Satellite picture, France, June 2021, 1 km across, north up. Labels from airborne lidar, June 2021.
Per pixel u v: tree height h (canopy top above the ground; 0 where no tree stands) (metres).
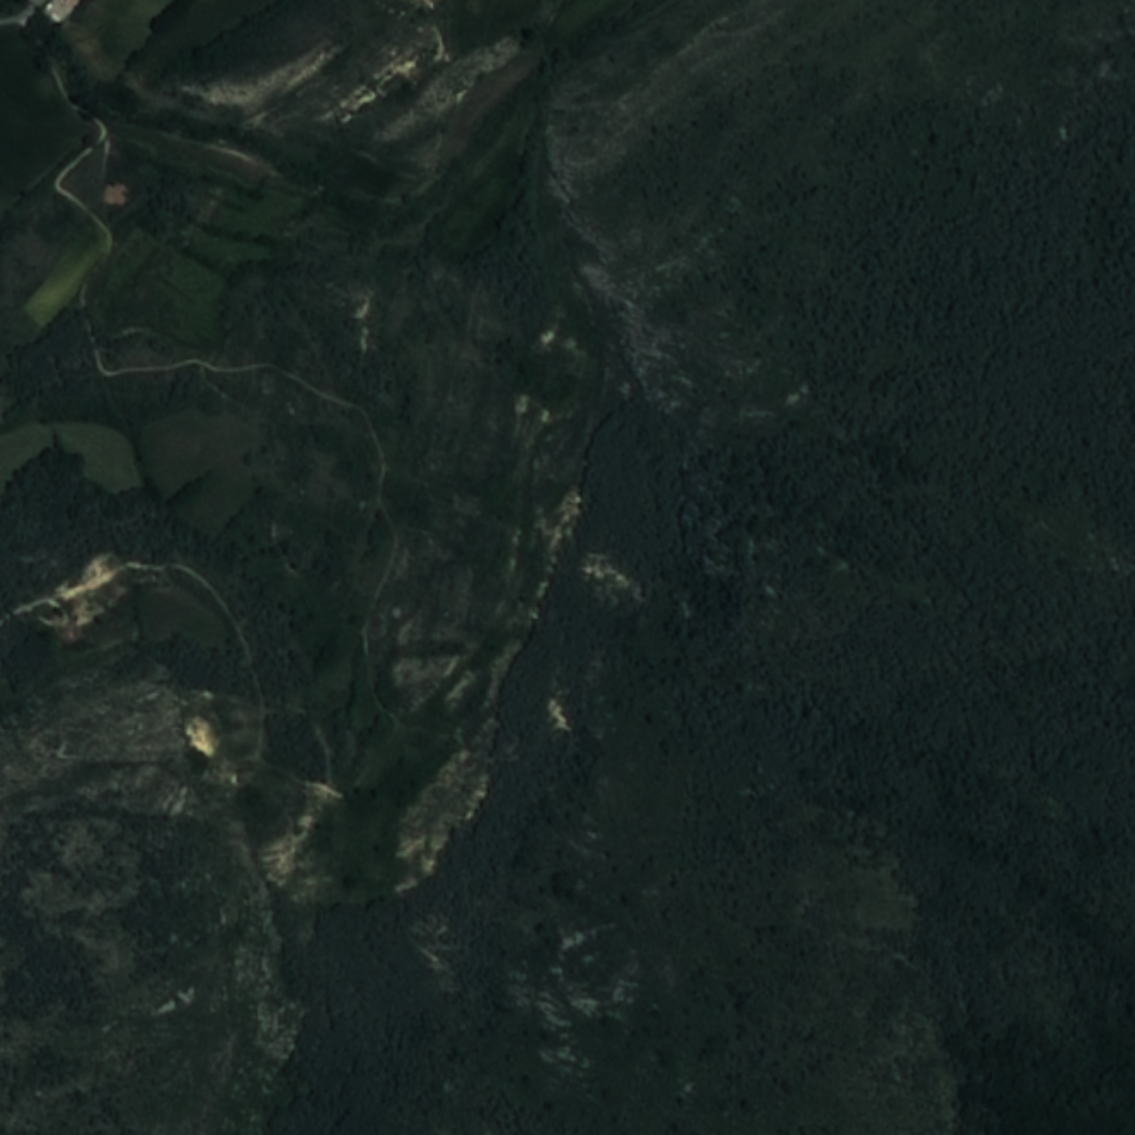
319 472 0
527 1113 7
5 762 0
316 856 0
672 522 9
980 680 11
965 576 10
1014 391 11
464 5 0
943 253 11
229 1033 0
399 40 0
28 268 0
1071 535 0
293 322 0
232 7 0
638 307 0
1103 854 8
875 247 10
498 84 0
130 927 5
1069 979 8
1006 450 9
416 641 0
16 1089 6
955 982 7
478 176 0
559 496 0
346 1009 11
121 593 0
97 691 0
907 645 10
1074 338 9
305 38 0
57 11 0
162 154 0
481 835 6
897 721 7
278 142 0
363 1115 15
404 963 12
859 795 10
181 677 8
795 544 7
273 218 0
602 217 0
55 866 6
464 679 0
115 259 0
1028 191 9
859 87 0
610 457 7
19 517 7
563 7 0
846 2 0
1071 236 12
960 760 8
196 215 7
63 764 0
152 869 6
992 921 10
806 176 6
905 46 0
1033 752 12
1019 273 10
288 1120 12
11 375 8
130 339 9
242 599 6
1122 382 7
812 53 0
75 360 10
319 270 6
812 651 6
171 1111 0
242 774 0
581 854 0
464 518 0
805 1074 6
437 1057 9
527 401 0
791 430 8
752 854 7
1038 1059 7
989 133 8
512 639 0
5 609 6
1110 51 6
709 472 6
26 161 0
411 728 0
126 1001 0
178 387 8
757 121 0
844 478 7
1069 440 8
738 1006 8
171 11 11
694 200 0
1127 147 8
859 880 0
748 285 12
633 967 0
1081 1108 9
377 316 0
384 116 0
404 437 6
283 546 7
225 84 0
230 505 0
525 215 6
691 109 0
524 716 6
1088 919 11
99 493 11
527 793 7
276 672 7
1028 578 10
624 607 6
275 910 7
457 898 7
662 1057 7
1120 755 12
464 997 8
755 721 8
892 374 8
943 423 7
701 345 0
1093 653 10
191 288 0
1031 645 10
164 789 0
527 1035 7
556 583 7
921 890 12
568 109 0
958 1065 9
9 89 0
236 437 0
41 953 7
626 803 0
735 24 0
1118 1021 10
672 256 0
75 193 0
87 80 14
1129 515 9
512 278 10
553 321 0
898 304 11
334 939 10
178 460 0
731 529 7
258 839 0
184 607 0
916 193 6
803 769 8
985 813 10
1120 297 10
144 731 0
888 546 11
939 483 7
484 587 0
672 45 0
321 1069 11
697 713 7
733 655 7
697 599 8
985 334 12
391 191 0
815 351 6
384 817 0
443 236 0
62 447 7
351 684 6
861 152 7
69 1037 0
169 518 10
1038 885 13
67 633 0
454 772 0
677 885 8
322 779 7
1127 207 9
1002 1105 16
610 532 7
